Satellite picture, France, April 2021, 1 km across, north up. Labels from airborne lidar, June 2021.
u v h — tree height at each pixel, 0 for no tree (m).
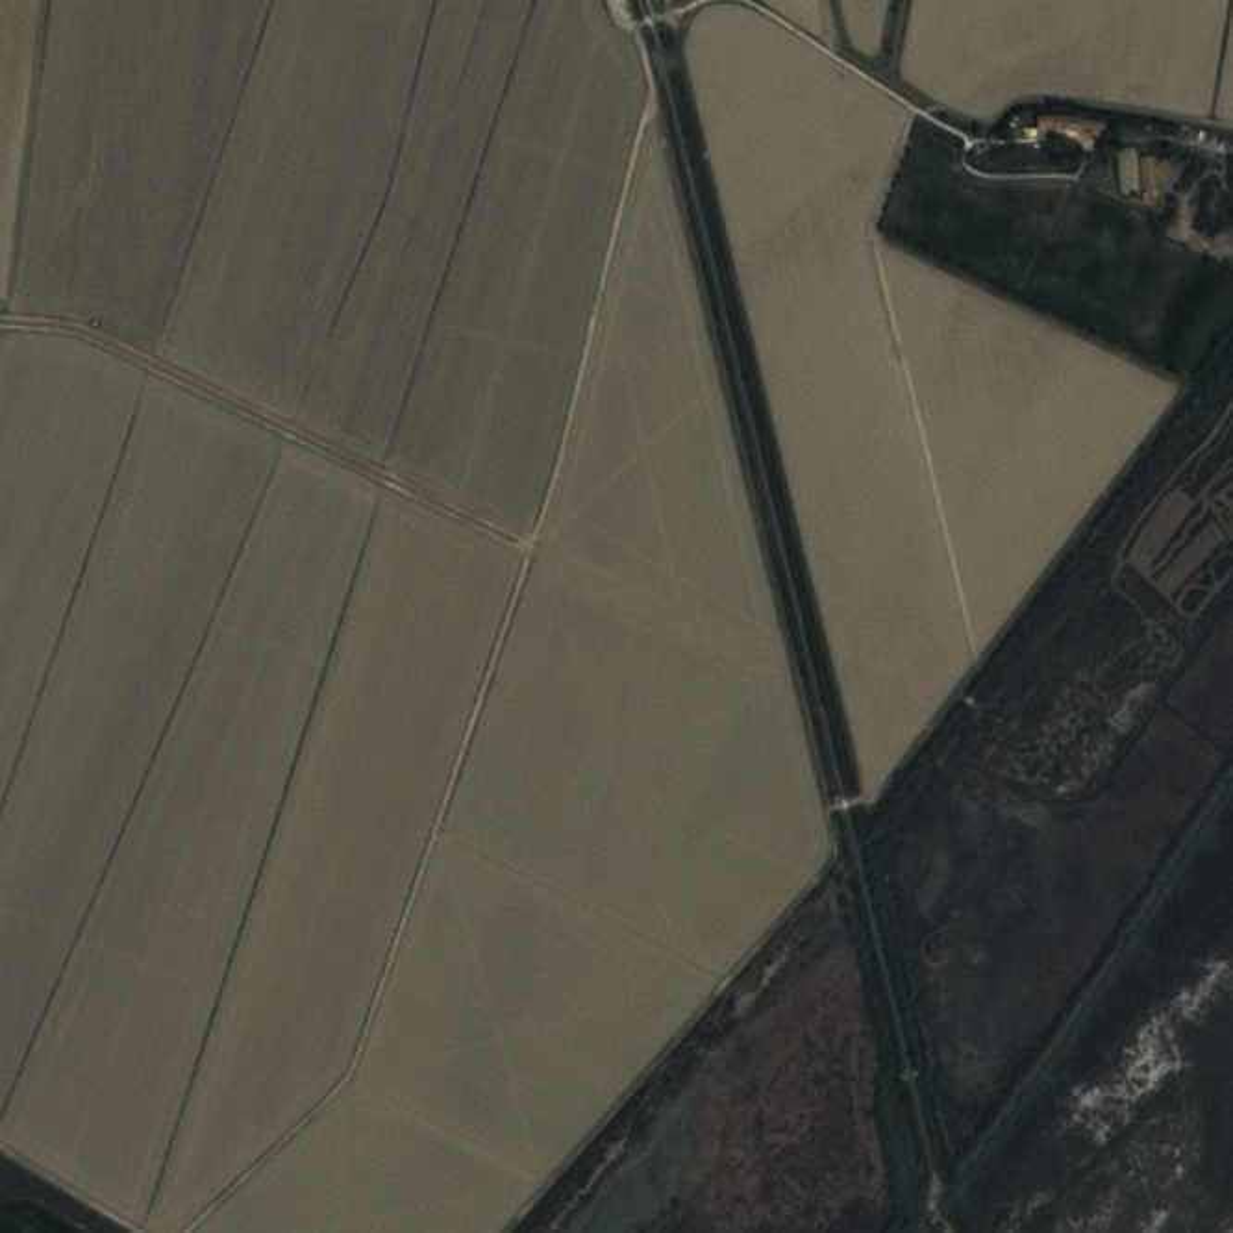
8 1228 0
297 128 0
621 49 0
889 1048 6
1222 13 0
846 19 0
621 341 0
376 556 0
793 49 0
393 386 0
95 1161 0
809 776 0
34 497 0
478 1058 0
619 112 0
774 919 0
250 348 0
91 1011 0
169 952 0
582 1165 0
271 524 0
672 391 0
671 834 0
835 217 0
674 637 0
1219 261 10
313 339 0
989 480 0
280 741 0
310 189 0
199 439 0
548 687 0
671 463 0
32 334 0
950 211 0
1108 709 0
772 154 0
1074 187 0
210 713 0
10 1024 0
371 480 0
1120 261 0
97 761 0
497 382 0
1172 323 0
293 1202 0
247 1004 0
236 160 0
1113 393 0
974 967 0
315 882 0
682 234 0
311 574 0
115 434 0
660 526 0
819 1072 0
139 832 0
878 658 0
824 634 0
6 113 0
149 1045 0
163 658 0
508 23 0
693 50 0
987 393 0
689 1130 0
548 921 0
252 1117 0
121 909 0
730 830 0
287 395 0
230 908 0
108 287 0
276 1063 0
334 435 0
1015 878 0
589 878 0
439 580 0
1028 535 0
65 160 0
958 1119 0
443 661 0
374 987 0
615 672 0
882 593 0
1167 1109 0
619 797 0
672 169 0
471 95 0
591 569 0
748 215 0
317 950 0
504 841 0
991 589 0
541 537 0
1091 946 0
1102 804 0
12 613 0
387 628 0
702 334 0
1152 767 0
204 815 0
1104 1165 0
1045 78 0
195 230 0
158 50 0
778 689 0
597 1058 0
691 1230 0
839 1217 0
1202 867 0
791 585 0
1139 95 0
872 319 0
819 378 0
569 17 0
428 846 0
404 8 0
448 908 0
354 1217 0
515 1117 0
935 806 5
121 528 0
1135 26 0
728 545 0
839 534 0
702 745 0
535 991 0
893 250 0
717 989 0
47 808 0
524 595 0
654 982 0
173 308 0
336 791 0
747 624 0
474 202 0
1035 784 0
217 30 0
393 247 0
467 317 0
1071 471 0
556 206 0
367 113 0
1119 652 0
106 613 0
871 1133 0
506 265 0
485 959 0
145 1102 0
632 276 0
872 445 0
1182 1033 0
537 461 0
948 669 0
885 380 0
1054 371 0
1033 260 0
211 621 0
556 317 0
